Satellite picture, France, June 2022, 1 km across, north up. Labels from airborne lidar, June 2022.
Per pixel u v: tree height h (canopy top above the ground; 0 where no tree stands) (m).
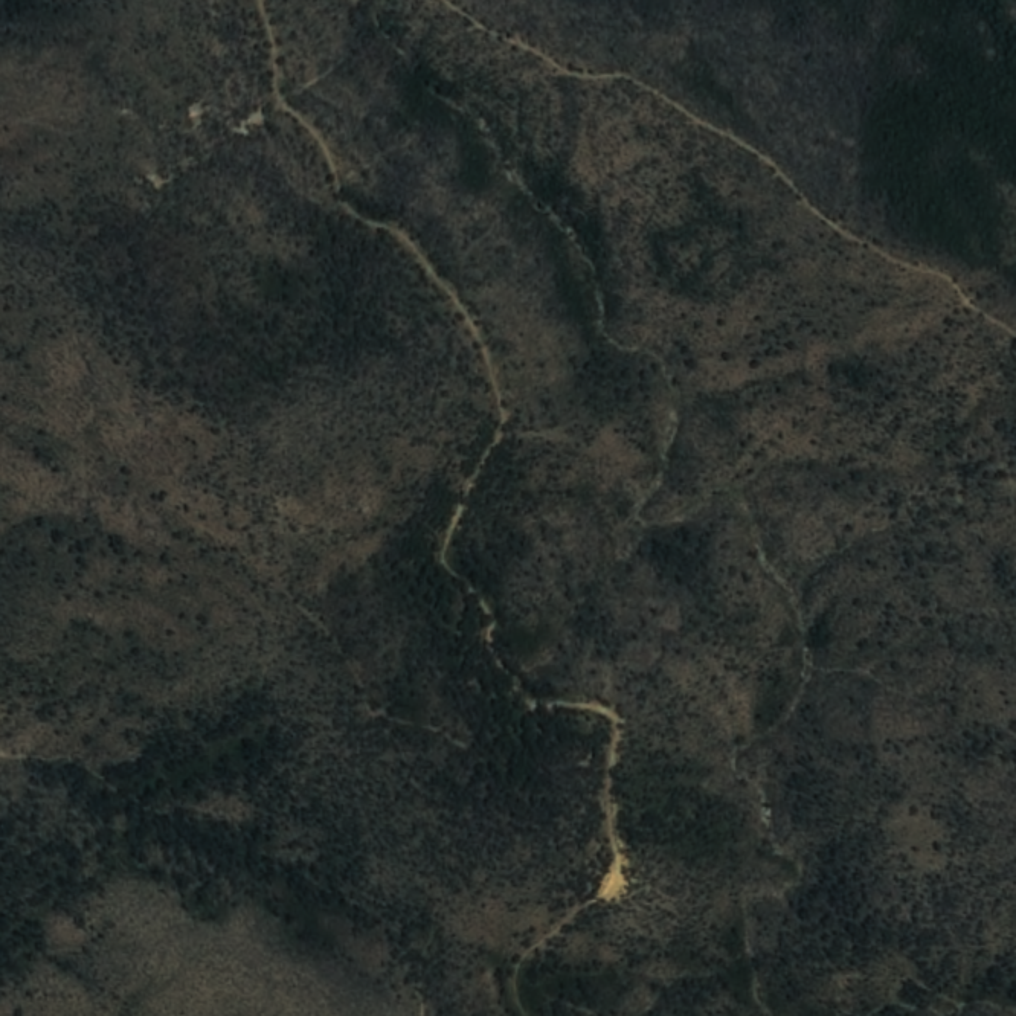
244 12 7
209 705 8
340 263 9
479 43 0
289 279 11
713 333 0
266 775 13
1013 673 0
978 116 8
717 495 8
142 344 8
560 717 11
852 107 7
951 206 6
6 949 14
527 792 11
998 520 0
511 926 0
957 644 9
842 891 12
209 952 0
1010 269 7
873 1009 10
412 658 11
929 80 7
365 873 7
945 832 0
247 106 7
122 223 7
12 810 9
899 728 0
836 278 0
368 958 0
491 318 0
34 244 12
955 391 7
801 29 15
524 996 0
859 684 0
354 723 10
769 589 0
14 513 0
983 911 6
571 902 9
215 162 7
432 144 10
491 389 8
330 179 12
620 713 7
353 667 0
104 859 13
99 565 0
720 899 0
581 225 10
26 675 10
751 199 0
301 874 11
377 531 8
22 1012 10
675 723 10
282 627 6
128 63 0
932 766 0
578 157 0
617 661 8
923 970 10
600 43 0
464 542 10
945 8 7
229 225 8
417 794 7
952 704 10
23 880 10
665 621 0
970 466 10
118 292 9
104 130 0
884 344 0
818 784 11
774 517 0
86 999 0
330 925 0
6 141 0
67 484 0
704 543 10
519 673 12
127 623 0
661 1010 8
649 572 0
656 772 11
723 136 0
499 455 12
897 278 0
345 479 0
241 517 0
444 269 11
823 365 0
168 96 0
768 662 7
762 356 9
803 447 0
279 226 9
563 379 0
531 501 10
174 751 9
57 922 0
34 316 0
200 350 8
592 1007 11
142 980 0
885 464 0
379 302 10
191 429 0
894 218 8
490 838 10
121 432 0
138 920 0
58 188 0
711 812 16
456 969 8
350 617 12
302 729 12
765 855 10
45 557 0
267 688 8
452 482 9
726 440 0
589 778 10
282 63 10
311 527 6
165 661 9
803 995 11
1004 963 14
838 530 0
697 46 7
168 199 8
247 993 0
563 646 10
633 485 0
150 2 0
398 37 12
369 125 10
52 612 0
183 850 13
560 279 10
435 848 9
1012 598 10
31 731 0
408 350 9
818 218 0
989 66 7
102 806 16
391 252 8
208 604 0
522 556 12
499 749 8
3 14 11
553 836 8
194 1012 0
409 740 12
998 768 0
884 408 7
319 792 10
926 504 10
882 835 7
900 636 9
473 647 12
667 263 8
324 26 0
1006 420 7
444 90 17
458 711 8
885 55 8
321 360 8
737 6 6
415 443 7
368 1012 0
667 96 0
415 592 12
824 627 7
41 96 0
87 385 0
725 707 0
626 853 11
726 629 10
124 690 7
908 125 10
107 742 0
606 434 0
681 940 11
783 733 0
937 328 0
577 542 0
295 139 8
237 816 0
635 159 0
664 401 0
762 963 14
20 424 0
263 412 8
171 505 0
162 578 0
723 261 0
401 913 10
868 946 10
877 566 8
